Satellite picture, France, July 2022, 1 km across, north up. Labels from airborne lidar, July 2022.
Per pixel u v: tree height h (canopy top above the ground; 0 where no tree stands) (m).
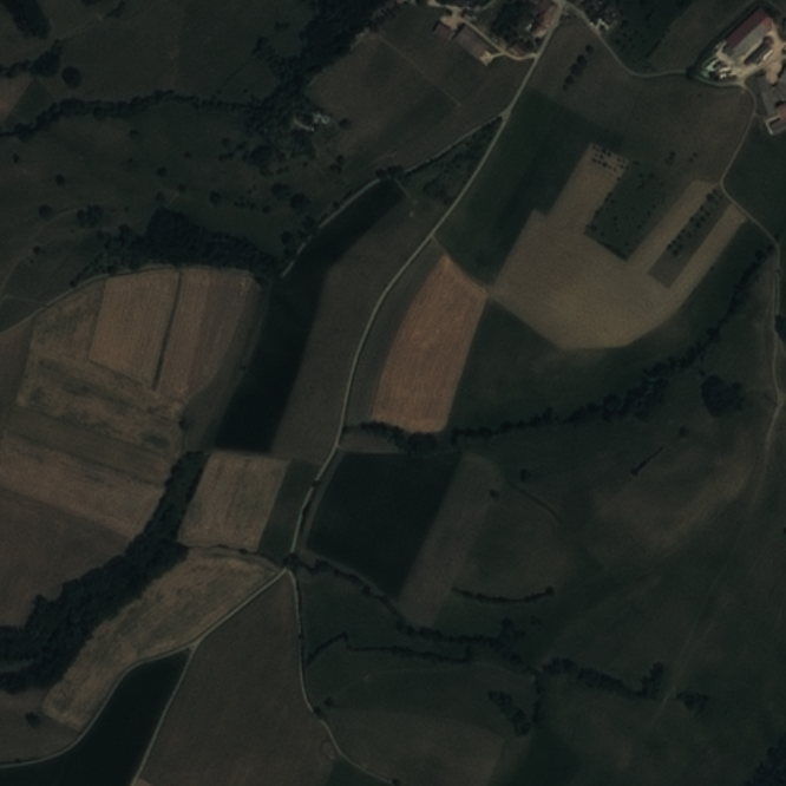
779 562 0
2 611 0
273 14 0
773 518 0
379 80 0
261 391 0
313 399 0
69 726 0
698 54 0
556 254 0
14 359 0
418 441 20
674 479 0
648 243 0
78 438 0
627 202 0
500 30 7
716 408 20
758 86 0
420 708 0
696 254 0
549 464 0
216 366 0
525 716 16
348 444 0
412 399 0
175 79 0
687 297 0
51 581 0
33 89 0
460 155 7
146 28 0
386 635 0
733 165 0
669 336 0
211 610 0
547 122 0
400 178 9
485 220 0
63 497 0
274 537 0
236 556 0
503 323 0
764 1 0
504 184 0
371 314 0
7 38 0
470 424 0
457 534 0
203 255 15
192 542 0
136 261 7
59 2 0
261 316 0
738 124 0
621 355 0
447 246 0
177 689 0
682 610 0
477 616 0
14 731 0
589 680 15
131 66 0
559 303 0
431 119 0
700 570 0
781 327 13
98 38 0
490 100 0
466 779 0
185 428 11
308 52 12
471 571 0
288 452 0
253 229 0
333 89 0
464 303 0
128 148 0
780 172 0
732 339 0
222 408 0
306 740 0
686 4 7
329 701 6
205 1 0
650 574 0
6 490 0
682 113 0
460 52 0
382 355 0
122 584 27
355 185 0
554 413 13
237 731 0
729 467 0
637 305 0
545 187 0
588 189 0
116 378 0
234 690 0
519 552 0
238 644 0
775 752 0
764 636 0
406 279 0
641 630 0
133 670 0
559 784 0
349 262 0
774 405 0
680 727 0
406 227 0
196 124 0
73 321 0
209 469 0
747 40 0
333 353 0
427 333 0
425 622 0
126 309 0
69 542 0
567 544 0
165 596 0
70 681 0
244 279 0
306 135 11
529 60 0
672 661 0
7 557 0
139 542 16
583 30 0
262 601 0
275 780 0
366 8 16
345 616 0
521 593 0
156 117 0
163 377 0
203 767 0
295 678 0
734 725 0
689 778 0
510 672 0
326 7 20
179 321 0
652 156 0
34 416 0
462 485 0
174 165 0
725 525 0
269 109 12
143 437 0
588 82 0
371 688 0
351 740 0
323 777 0
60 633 18
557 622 0
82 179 0
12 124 0
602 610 0
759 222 0
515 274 0
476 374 0
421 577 0
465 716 0
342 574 10
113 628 0
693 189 0
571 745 0
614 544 0
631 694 11
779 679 0
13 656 15
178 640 0
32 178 0
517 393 0
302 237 12
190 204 0
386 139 0
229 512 0
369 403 0
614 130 0
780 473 0
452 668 0
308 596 0
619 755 0
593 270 0
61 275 0
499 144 0
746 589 0
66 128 0
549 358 0
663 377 18
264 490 0
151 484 0
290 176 0
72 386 0
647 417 12
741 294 12
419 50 0
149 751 0
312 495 0
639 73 0
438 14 0
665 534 0
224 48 0
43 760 0
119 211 0
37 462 0
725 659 0
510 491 0
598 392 0
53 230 0
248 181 0
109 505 0
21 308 0
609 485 0
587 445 0
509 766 0
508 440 0
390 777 0
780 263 0
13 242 0
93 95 0
